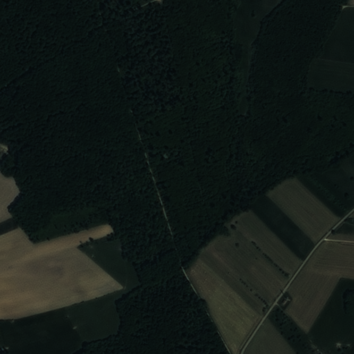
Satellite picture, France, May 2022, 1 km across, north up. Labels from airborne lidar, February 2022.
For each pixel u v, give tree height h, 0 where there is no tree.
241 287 0
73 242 0
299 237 0
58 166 25
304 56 14
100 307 0
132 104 23
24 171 23
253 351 0
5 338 0
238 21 0
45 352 0
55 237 0
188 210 11
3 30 22
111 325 0
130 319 16
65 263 0
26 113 23
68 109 24
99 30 23
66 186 25
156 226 26
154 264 21
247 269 0
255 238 0
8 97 16
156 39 32
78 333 0
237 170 15
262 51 11
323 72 0
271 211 0
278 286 0
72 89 25
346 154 23
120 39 15
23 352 0
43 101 24
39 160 24
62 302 0
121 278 0
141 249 24
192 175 7
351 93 13
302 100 9
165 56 32
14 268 0
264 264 0
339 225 0
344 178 0
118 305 18
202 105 9
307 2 15
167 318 17
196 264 0
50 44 26
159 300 17
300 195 0
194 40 10
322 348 0
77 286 0
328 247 0
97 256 0
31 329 0
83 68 26
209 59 6
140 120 26
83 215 0
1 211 0
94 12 24
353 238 0
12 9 24
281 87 15
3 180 0
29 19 27
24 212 21
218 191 8
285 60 14
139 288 11
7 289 0
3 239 0
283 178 10
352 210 0
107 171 24
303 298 0
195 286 0
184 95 11
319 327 0
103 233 0
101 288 0
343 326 0
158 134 28
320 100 7
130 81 29
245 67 0
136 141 20
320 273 0
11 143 19
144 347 21
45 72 24
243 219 0
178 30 10
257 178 9
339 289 0
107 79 28
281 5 10
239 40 0
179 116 7
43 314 0
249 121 12
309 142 7
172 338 18
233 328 0
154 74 27
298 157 8
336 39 0
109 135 26
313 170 11
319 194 0
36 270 0
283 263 0
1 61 22
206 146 10
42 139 26
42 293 0
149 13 9
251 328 0
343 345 0
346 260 0
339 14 8
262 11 0
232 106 16
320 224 0
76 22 23
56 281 0
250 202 12
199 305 20
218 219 9
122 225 20
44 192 25
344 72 0
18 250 0
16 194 0
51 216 23
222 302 0
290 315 0
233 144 9
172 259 23
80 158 27
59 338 0
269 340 0
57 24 26
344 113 10
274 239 0
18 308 0
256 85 9
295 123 9
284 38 15
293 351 0
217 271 0
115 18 23
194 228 13
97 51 26
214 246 0
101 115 27
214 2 16
